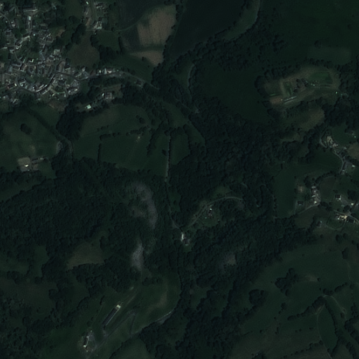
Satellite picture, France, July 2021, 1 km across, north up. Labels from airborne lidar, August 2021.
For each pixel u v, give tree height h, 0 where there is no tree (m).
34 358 20
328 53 0
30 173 23
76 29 7
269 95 15
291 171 0
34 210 18
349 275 0
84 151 0
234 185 19
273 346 0
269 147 24
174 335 11
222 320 23
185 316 16
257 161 10
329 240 0
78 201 15
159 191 13
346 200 0
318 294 0
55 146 0
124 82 20
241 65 15
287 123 7
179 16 14
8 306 20
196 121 32
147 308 0
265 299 12
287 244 23
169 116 23
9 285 0
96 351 0
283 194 0
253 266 27
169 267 6
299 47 0
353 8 0
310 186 15
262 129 20
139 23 0
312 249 0
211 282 21
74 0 0
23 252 19
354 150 0
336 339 0
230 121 21
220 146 28
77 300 0
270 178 22
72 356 0
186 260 11
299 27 0
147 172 13
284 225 14
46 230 20
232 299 24
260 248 12
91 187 13
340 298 0
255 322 0
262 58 10
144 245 11
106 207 23
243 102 0
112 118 0
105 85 8
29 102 10
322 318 0
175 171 17
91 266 14
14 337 22
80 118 26
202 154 17
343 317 14
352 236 0
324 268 0
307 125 0
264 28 18
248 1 24
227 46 21
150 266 14
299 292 0
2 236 6
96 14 0
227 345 20
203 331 17
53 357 0
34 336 21
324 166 0
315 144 18
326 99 13
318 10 0
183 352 12
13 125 0
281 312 11
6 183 16
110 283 20
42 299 0
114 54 25
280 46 16
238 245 9
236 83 0
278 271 0
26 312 18
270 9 0
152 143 14
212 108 18
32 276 17
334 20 0
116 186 11
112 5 12
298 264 0
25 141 0
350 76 23
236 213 14
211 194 10
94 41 24
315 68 0
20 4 13
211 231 16
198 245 17
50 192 20
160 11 0
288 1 0
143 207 5
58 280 17
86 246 0
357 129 15
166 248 19
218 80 0
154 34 0
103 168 12
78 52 0
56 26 13
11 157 0
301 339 0
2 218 18
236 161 25
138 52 0
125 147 0
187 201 24
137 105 9
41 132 0
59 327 19
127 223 17
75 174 13
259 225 14
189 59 11
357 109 11
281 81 0
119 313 0
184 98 23
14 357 21
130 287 16
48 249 13
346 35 0
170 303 0
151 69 0
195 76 10
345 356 0
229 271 12
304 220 0
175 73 7
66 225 18
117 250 9
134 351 0
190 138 13
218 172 19
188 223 19
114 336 0
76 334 0
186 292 27
